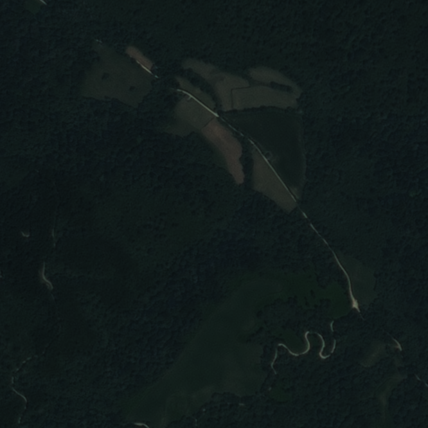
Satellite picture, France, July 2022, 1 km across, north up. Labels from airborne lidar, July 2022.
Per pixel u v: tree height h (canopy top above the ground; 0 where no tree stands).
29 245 24
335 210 14
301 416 10
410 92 28
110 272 11
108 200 10
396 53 14
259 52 19
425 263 31
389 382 0
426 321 11
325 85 11
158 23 13
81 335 13
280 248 10
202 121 0
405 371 16
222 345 0
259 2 17
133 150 20
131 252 15
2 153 19
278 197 0
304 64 12
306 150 8
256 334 8
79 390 10
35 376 11
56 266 15
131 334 23
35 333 17
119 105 22
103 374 15
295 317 13
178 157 14
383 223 9
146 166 31
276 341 19
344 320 16
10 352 10
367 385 20
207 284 29
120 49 17
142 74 0
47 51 10
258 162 0
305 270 18
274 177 0
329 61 18
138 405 0
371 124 24
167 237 21
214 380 0
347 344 12
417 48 11
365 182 11
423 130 31
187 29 11
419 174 23
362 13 12
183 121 0
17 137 9
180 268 29
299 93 0
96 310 9
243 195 11
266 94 0
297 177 0
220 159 0
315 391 16
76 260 17
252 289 0
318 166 17
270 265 10
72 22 13
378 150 16
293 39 12
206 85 8
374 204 21
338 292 0
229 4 17
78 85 12
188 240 12
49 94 12
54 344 15
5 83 23
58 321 18
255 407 19
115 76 0
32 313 9
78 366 22
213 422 27
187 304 22
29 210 18
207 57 19
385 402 0
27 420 12
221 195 12
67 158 9
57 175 24
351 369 28
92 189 17
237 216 13
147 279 11
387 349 9
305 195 11
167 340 19
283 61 13
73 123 11
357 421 28
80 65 16
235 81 0
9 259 14
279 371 13
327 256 12
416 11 9
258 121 0
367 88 23
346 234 12
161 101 14
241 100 0
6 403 12
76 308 13
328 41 25
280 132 0
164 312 23
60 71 22
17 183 10
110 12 10
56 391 11
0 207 22
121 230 14
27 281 25
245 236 11
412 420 28
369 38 21
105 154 11
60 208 21
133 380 13
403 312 12
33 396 12
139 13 26
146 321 13
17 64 29
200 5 11
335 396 22
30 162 23
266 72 0
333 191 11
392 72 23
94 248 16
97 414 11
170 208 9
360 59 23
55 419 10
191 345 0
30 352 13
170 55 11
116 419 19
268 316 11
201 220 13
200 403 0
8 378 10
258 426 13
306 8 21
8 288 21
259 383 0
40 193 23
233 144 0
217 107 7
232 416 14
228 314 0
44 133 9
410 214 11
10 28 24
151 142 23
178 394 0
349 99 13
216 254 13
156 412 0
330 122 21
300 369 10
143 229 11
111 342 26
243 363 0
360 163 10
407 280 21
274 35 12
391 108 11
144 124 13
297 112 6
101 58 24
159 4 11
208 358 0
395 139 26
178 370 0
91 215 13
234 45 15
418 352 11
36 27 26
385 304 10
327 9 31
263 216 11
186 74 10
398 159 27
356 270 0
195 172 13
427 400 15
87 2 10
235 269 11
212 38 12
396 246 10
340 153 23
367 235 13
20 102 24
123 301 12
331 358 14
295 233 27
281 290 0
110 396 12
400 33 26
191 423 18
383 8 11
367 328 15
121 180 9
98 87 0
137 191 11
